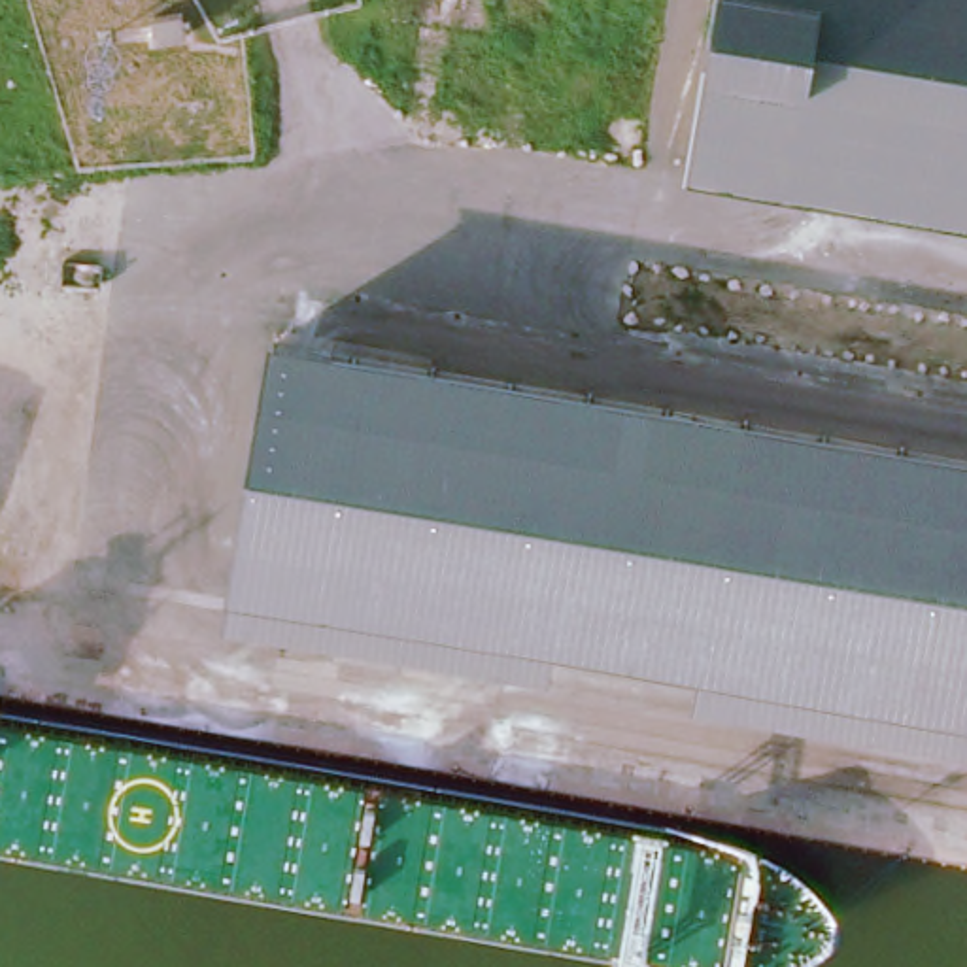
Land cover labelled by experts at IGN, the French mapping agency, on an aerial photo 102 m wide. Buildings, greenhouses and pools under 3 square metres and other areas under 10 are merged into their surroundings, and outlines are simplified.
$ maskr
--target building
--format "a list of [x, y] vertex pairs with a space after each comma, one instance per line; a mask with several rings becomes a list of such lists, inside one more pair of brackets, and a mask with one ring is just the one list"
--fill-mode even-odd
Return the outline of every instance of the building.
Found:
[[125, 272], [125, 257], [113, 253], [98, 253], [94, 264], [76, 268], [76, 287], [106, 283]]
[[249, 45], [242, 42], [242, 34], [219, 34], [219, 26], [212, 23], [193, 30], [181, 19], [159, 19], [151, 26], [140, 26], [144, 45], [178, 45], [189, 53], [227, 57], [234, 57], [238, 49], [246, 53]]
[[687, 189], [778, 196], [782, 208], [797, 212], [801, 219], [827, 215], [861, 227], [967, 242], [967, 0], [714, 0], [714, 57], [706, 60], [699, 155], [695, 174], [687, 174]]
[[593, 676], [661, 687], [733, 687], [805, 706], [831, 706], [861, 718], [891, 718], [907, 725], [941, 725], [967, 733], [967, 461], [941, 453], [899, 457], [888, 446], [816, 438], [805, 431], [744, 431], [729, 419], [657, 412], [642, 404], [589, 404], [582, 397], [555, 389], [510, 389], [499, 382], [434, 378], [416, 366], [302, 363], [287, 359], [287, 351], [276, 344], [264, 355], [261, 370], [257, 423], [246, 465], [246, 487], [253, 495], [246, 499], [242, 514], [242, 551], [234, 559], [230, 589], [223, 593], [219, 608], [227, 616], [227, 631], [219, 635], [219, 642], [230, 657], [238, 657], [246, 646], [272, 646], [280, 657], [359, 657], [457, 676], [472, 684], [517, 684], [533, 691], [548, 687], [551, 669], [578, 669]]

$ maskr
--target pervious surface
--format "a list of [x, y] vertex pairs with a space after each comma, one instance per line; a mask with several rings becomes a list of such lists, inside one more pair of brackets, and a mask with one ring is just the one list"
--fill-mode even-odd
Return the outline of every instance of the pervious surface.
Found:
[[631, 344], [665, 344], [665, 351], [687, 366], [699, 363], [703, 348], [718, 348], [729, 355], [782, 355], [793, 363], [865, 374], [876, 378], [888, 397], [910, 400], [914, 408], [922, 408], [925, 397], [937, 389], [967, 393], [967, 317], [880, 298], [846, 298], [846, 306], [816, 306], [820, 291], [789, 283], [759, 283], [755, 298], [744, 291], [729, 291], [725, 280], [680, 280], [672, 276], [669, 261], [661, 264], [661, 272], [638, 264], [631, 276], [631, 295], [623, 295], [616, 306], [616, 321], [627, 325]]
[[193, 30], [212, 23], [227, 11], [230, 0], [26, 0], [26, 19], [38, 38], [45, 79], [57, 94], [53, 113], [64, 132], [76, 174], [162, 159], [223, 162], [230, 155], [253, 151], [257, 132], [246, 53], [238, 49], [234, 57], [227, 57], [189, 53], [178, 45], [144, 45], [140, 26], [151, 26], [159, 19], [181, 19]]
[[94, 264], [98, 253], [113, 253], [125, 215], [121, 181], [87, 185], [72, 200], [53, 200], [49, 185], [42, 181], [0, 189], [0, 585], [42, 589], [79, 555], [79, 540], [87, 533], [87, 457], [102, 385], [102, 344], [110, 332], [106, 283], [76, 287], [76, 268]]

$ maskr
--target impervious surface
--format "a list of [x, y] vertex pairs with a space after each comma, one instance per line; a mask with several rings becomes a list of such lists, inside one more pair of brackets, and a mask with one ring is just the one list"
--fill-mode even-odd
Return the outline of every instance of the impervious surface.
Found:
[[703, 348], [699, 363], [687, 366], [665, 351], [665, 344], [631, 344], [627, 325], [616, 321], [616, 306], [623, 295], [631, 295], [631, 276], [638, 264], [661, 272], [661, 264], [669, 261], [672, 276], [680, 280], [725, 280], [729, 291], [744, 291], [755, 298], [759, 283], [789, 283], [820, 291], [816, 306], [846, 306], [846, 298], [880, 298], [967, 317], [967, 242], [861, 227], [827, 215], [801, 219], [797, 212], [782, 208], [778, 196], [687, 189], [687, 174], [695, 174], [699, 155], [706, 60], [714, 57], [714, 0], [669, 0], [650, 91], [650, 121], [635, 121], [638, 136], [646, 140], [642, 166], [604, 170], [567, 151], [502, 144], [487, 132], [476, 144], [468, 144], [453, 113], [419, 117], [393, 110], [374, 79], [359, 76], [325, 42], [321, 23], [314, 15], [321, 0], [261, 0], [257, 8], [268, 23], [272, 53], [280, 64], [280, 155], [249, 174], [121, 181], [125, 215], [113, 253], [125, 257], [125, 272], [106, 283], [110, 332], [102, 344], [102, 385], [87, 457], [87, 533], [79, 540], [79, 555], [42, 589], [0, 585], [0, 695], [359, 759], [389, 759], [423, 771], [495, 778], [510, 786], [555, 789], [657, 812], [684, 812], [967, 869], [967, 733], [941, 725], [907, 725], [891, 718], [861, 718], [831, 706], [805, 706], [733, 687], [661, 687], [593, 676], [578, 669], [551, 669], [548, 687], [533, 691], [517, 684], [472, 684], [457, 676], [359, 657], [280, 657], [272, 646], [246, 646], [238, 657], [230, 657], [219, 642], [219, 635], [227, 631], [227, 616], [219, 608], [223, 593], [230, 589], [234, 559], [242, 551], [242, 514], [246, 499], [253, 495], [246, 487], [246, 465], [257, 423], [261, 370], [264, 355], [276, 344], [287, 351], [287, 359], [302, 363], [416, 366], [434, 378], [499, 382], [510, 389], [555, 389], [582, 397], [589, 404], [642, 404], [657, 412], [729, 419], [744, 431], [805, 431], [816, 438], [888, 446], [899, 457], [941, 453], [967, 461], [967, 393], [937, 389], [925, 397], [922, 408], [914, 408], [910, 400], [888, 397], [876, 378], [865, 374], [793, 363], [782, 355], [729, 355], [718, 348]]

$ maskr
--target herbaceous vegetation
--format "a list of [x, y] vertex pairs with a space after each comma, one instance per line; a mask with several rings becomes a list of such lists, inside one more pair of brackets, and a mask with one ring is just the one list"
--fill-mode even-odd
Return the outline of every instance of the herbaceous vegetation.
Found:
[[374, 79], [393, 110], [419, 117], [453, 113], [468, 144], [476, 144], [487, 132], [502, 144], [567, 151], [604, 170], [642, 166], [646, 140], [638, 136], [635, 121], [650, 121], [650, 91], [669, 0], [321, 0], [314, 15], [321, 23], [325, 42], [359, 76]]
[[87, 185], [121, 181], [249, 174], [280, 155], [280, 64], [272, 53], [268, 23], [257, 8], [261, 0], [230, 0], [227, 11], [212, 23], [219, 26], [219, 34], [242, 34], [242, 42], [249, 45], [246, 53], [257, 132], [253, 151], [230, 155], [223, 162], [162, 159], [76, 174], [64, 132], [53, 113], [57, 94], [45, 79], [38, 38], [26, 19], [26, 0], [0, 0], [0, 189], [42, 181], [49, 185], [53, 200], [72, 200]]

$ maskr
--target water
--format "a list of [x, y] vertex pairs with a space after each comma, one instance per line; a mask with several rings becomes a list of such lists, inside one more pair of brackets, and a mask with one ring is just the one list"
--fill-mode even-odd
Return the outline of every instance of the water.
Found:
[[359, 759], [0, 695], [0, 967], [967, 967], [967, 869], [684, 812], [657, 812], [555, 789], [510, 786], [495, 778], [423, 771], [389, 759]]

